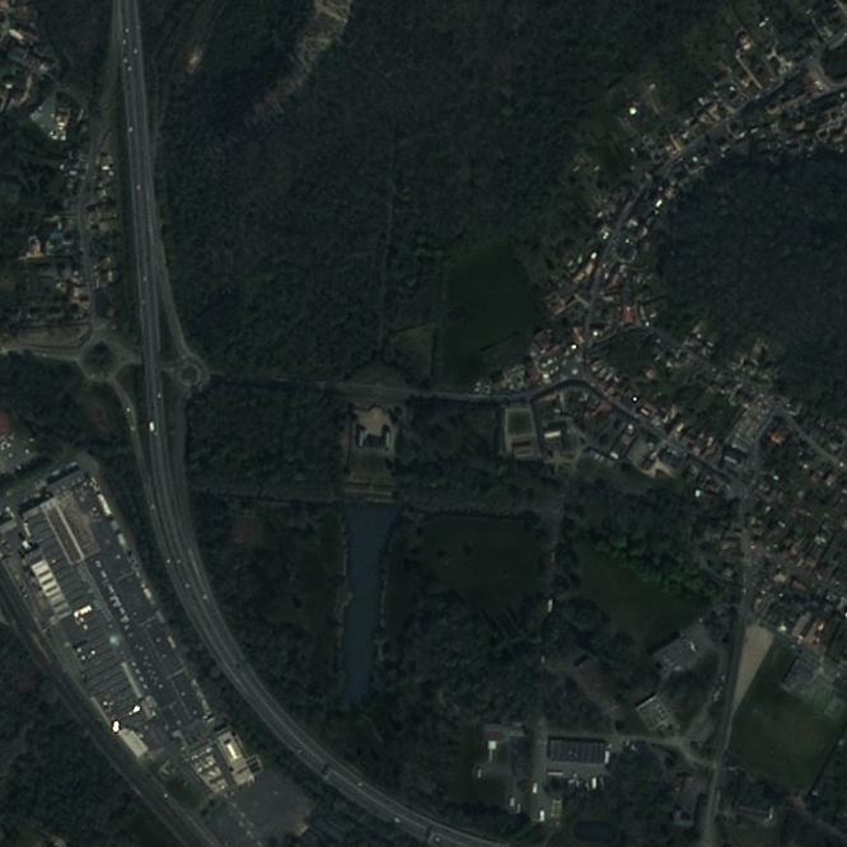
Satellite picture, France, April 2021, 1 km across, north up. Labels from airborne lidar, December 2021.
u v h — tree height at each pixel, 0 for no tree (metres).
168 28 13
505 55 29
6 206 20
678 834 0
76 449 16
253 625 22
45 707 12
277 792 0
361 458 0
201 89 20
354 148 21
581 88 16
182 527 0
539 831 8
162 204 10
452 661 27
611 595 0
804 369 18
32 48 8
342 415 18
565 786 14
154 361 0
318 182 18
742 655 0
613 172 0
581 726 27
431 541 0
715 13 17
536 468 10
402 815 0
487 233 14
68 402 13
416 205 14
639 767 21
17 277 0
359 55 13
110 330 0
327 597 0
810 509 8
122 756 0
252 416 28
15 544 0
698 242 24
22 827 16
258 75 16
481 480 20
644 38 19
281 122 10
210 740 0
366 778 0
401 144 20
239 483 28
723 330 15
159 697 0
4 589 0
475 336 0
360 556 0
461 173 24
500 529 0
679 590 21
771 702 0
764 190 26
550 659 28
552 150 22
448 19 18
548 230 22
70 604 0
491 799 0
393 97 16
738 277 15
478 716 28
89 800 23
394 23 16
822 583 0
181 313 8
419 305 12
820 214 27
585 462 0
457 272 0
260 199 17
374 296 20
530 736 10
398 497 9
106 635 0
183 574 0
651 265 0
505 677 31
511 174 16
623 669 27
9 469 0
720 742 0
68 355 0
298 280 14
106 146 0
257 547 0
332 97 17
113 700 0
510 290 0
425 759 17
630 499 26
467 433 19
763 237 26
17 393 25
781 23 7
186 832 0
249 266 17
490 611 0
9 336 19
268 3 7
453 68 18
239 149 9
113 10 0
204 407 22
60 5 7
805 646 0
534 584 0
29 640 0
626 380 9
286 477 28
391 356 18
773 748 0
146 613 0
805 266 18
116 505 0
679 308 14
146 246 0
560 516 0
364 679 0
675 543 25
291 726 0
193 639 20
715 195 22
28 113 18
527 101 23
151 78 8
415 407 12
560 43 17
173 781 0
